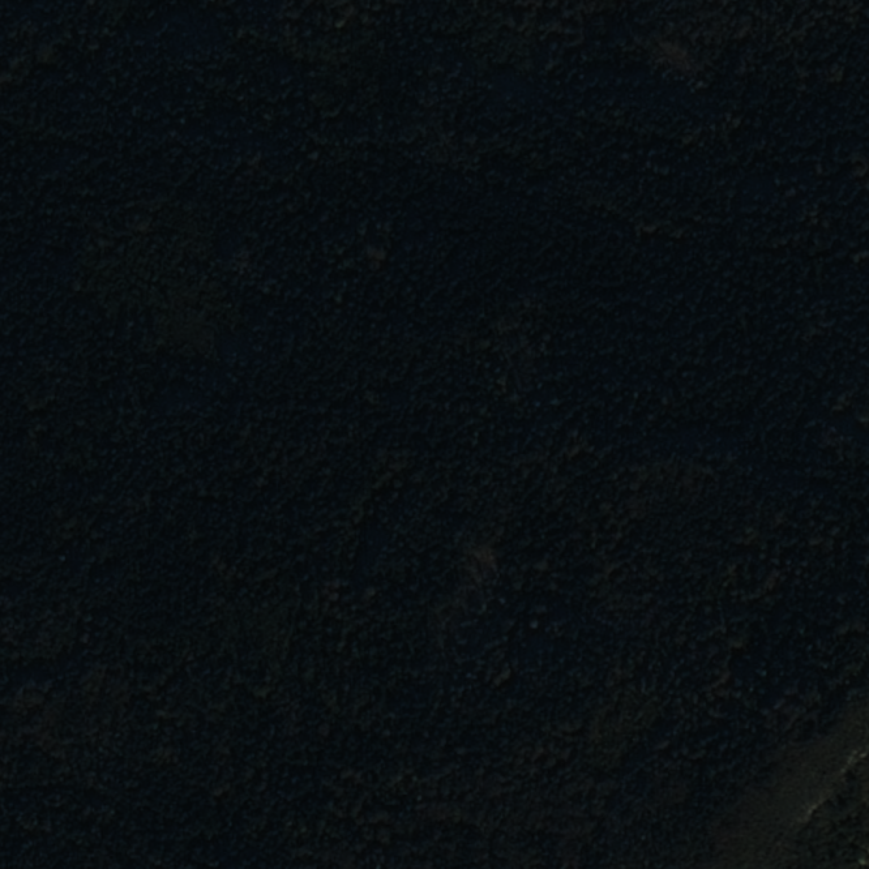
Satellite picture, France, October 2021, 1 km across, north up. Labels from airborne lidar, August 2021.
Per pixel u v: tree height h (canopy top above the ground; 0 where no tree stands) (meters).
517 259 15
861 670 7
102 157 24
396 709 23
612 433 30
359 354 22
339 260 22
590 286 19
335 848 24
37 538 28
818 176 16
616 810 22
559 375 26
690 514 21
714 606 16
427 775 24
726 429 15
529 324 20
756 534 23
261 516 29
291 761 25
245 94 14
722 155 29
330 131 12
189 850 28
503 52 10
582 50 19
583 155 18
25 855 20
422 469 24
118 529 26
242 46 7
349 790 16
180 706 18
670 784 19
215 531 27
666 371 24
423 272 23
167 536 20
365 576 14
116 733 15
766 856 13
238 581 7
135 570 21
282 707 20
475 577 13
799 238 21
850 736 6
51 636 25
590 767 15
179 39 16
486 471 18
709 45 21
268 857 30
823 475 23
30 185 22
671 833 16
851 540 17
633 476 22
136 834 22
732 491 27
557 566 23
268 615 12
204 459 25
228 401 11
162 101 28
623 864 18
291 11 26
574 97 24
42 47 28
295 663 11
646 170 19
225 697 15
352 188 17
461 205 23
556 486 21
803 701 27
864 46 25
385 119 18
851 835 18
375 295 18
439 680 23
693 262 23
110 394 11
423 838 17
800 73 21
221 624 12
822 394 11
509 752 25
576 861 20
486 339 19
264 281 30
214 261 7
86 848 14
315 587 11
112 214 25
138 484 26
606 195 28
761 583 24
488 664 25
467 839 14
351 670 17
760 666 16
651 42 27
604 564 23
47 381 21
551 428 29
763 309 10
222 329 8
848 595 21
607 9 5
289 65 7
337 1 27
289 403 25
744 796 12
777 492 29
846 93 21
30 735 26
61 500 29
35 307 33
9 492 31
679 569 25
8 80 22
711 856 7
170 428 25
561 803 15
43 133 9
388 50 16
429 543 26
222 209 19
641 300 26
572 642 31
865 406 28
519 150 20
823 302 23
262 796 26
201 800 24
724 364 25
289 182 23
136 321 8
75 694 20
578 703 24
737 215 7
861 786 21
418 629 6
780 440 22
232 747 17
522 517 15
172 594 24
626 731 10
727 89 22
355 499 32
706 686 29
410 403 27
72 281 27
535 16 8
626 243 27
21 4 6
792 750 12
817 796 6
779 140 8
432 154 14
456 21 24
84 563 23
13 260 25
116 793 30
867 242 8
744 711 25
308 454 23
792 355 27
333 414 25
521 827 20
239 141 7
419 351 18
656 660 16
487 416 22
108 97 26
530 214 25
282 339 26
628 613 21
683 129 26
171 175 29
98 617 22
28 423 27
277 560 17
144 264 7
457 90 29
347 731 12
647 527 23
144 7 8
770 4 20
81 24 26
